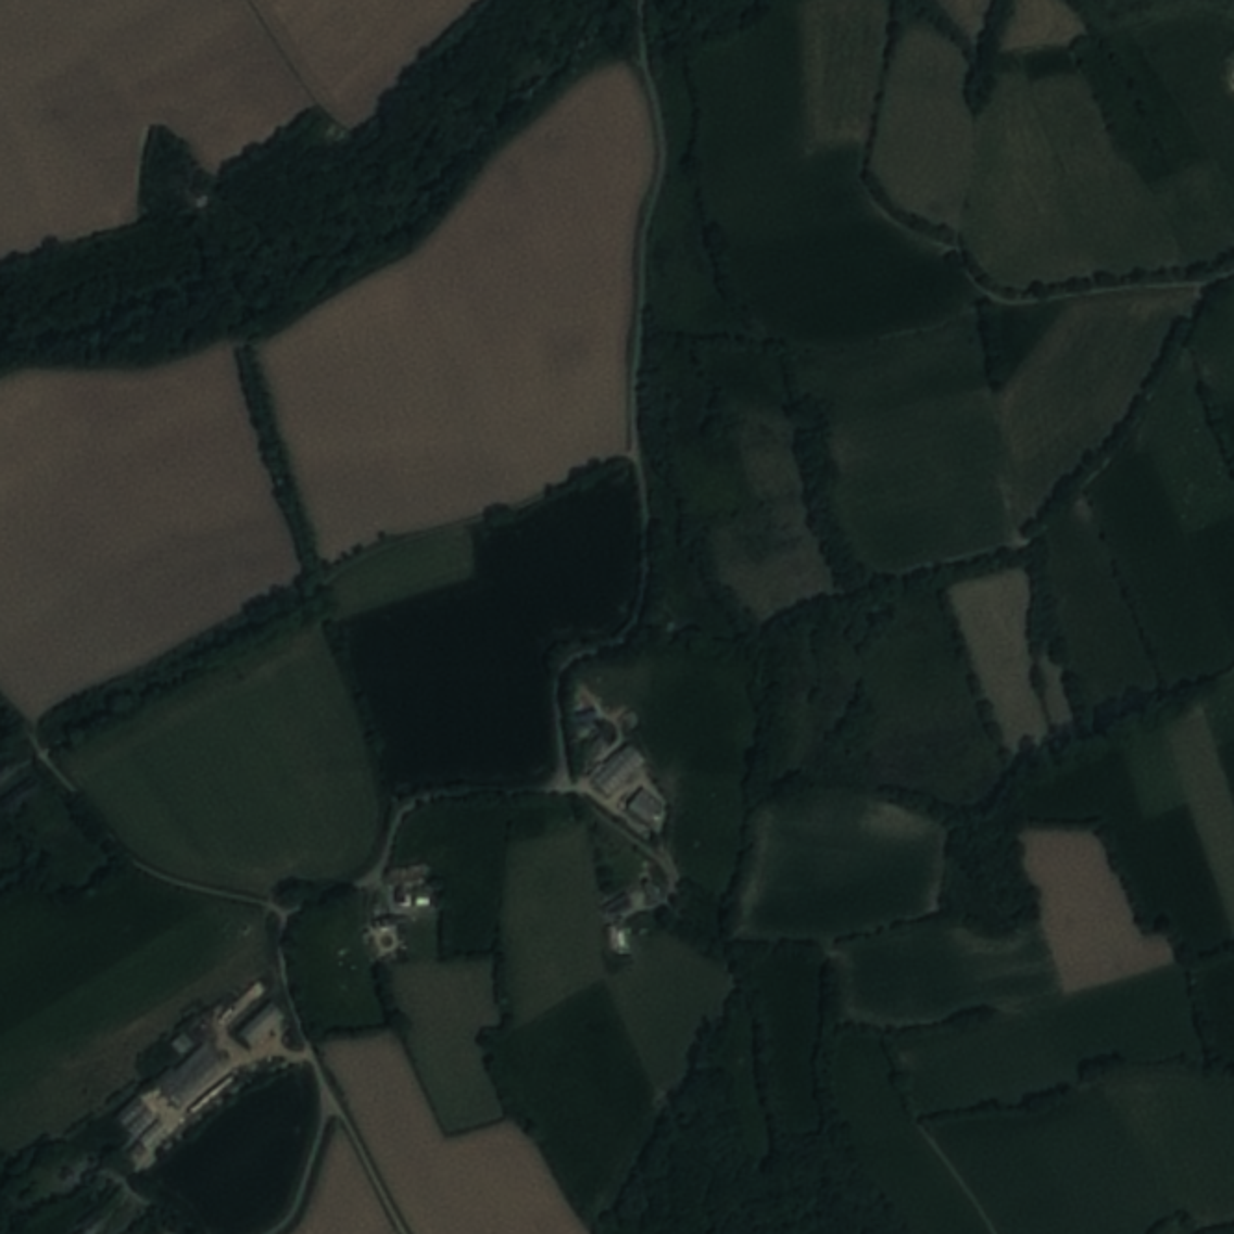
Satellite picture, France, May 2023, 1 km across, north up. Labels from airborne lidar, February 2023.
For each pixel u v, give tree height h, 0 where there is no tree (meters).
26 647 0
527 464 0
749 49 0
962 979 0
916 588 12
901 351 0
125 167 0
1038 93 0
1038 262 0
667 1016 0
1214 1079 7
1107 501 0
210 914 0
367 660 0
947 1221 0
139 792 0
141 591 0
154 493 0
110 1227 0
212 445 0
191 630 0
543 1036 0
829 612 15
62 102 0
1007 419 0
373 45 0
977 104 8
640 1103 0
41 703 0
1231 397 0
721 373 0
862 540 0
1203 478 0
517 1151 0
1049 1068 0
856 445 0
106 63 0
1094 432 0
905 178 0
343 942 0
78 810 16
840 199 0
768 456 0
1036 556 8
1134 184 0
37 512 0
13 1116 0
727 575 0
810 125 0
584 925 0
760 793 8
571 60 8
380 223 19
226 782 0
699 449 0
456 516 0
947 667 0
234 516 0
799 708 0
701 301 0
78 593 0
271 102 0
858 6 0
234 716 0
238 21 0
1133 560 0
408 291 0
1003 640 0
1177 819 0
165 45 0
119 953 0
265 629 17
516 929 0
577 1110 0
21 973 0
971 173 0
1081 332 0
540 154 0
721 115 0
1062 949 0
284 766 0
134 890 0
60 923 0
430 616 0
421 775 0
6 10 0
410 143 16
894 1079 10
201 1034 0
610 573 0
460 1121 0
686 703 0
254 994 0
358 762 0
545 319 0
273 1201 0
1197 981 8
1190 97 0
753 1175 15
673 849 0
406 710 0
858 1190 9
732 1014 7
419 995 0
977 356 0
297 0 0
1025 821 9
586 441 0
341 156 9
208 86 0
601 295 0
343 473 0
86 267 6
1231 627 0
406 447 0
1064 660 11
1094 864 0
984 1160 0
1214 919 0
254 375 11
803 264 0
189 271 6
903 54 0
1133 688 0
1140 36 0
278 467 12
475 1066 0
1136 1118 0
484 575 0
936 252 0
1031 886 8
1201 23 0
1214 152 0
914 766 0
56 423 0
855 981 0
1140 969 0
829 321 0
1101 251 0
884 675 0
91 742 13
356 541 0
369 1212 0
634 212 0
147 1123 0
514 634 0
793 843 0
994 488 0
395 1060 0
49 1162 13
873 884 0
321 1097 0
